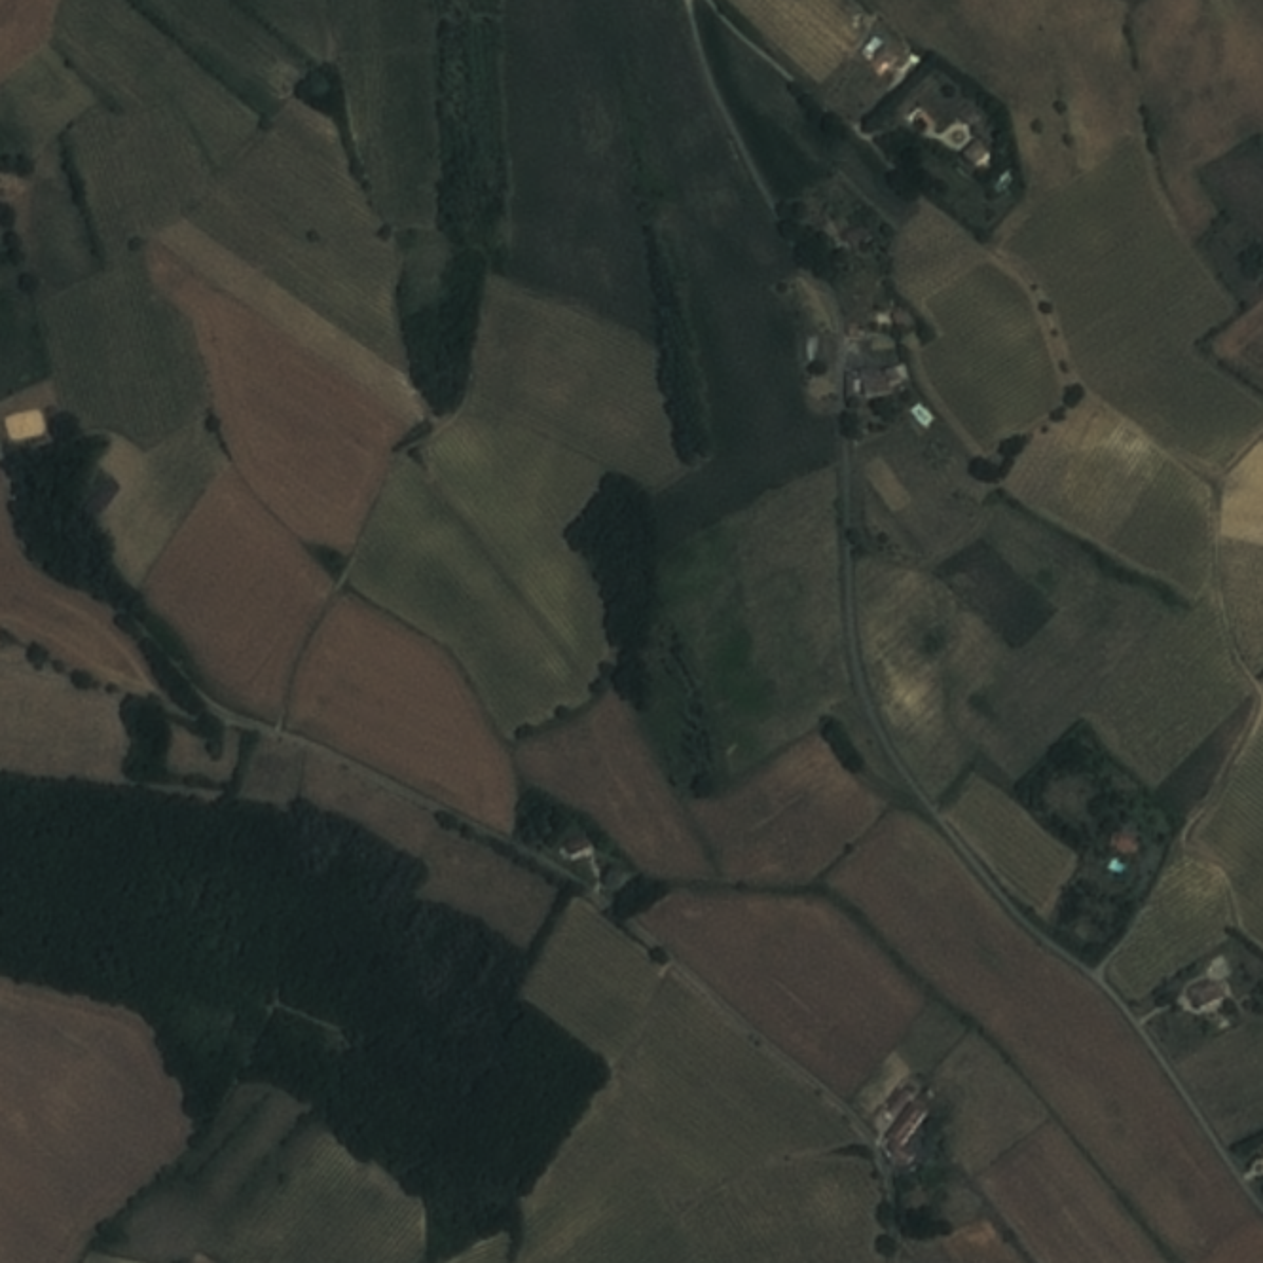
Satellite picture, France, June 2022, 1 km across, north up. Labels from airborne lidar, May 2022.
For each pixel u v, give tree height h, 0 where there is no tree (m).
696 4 0
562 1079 16
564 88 0
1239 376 6
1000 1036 0
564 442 0
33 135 0
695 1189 0
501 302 0
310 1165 0
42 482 20
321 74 9
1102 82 0
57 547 18
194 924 12
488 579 0
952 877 0
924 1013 0
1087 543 7
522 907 0
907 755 0
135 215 0
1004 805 0
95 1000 12
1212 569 0
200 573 0
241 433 0
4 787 15
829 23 0
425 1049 14
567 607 0
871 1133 0
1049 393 0
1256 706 0
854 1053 0
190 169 0
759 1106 0
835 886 0
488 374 0
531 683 0
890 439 0
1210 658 0
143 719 22
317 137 0
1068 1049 0
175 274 0
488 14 21
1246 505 0
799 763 0
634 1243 0
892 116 9
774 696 0
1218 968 0
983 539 0
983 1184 0
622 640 18
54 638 0
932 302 0
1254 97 0
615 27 0
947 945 0
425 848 0
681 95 0
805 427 0
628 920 13
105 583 28
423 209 0
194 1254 0
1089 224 0
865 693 0
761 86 0
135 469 0
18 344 0
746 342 0
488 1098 19
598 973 0
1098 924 10
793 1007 0
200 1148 9
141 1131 0
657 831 0
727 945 0
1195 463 0
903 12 0
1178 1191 0
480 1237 9
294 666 0
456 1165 15
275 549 0
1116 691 0
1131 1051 0
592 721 0
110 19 0
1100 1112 0
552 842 10
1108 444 0
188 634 0
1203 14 0
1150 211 0
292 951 11
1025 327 0
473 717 0
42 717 0
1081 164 0
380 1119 16
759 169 0
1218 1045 0
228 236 0
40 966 15
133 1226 0
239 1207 0
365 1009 15
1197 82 0
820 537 0
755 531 0
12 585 0
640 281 0
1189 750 0
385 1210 0
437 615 0
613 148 0
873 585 0
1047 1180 0
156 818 18
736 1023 0
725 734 0
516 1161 17
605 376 0
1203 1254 0
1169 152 0
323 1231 0
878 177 0
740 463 0
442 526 0
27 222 0
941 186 12
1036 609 0
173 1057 11
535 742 0
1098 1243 0
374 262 0
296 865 14
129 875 18
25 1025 0
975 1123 0
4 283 0
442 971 20
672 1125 0
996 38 0
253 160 0
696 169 0
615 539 16
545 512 0
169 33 6
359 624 0
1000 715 0
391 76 0
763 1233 0
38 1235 0
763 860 0
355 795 0
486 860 0
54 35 0
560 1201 0
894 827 0
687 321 20
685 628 0
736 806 0
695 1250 0
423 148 0
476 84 18
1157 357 0
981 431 0
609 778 0
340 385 0
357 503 0
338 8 0
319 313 0
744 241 0
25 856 18
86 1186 0
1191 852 0
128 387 0
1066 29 0
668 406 9
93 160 0
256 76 0
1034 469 0
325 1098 10
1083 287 0
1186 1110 0
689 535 0
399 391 0
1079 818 0
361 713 0
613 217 0
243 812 18
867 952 0
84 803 17
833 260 8
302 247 0
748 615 0
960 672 0
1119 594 0
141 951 18
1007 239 0
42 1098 0
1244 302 10
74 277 0
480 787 0
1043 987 0
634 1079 0
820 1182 0
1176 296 0
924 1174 12
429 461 0
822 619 0
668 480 0
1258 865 0
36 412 0
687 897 0
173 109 0
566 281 0
